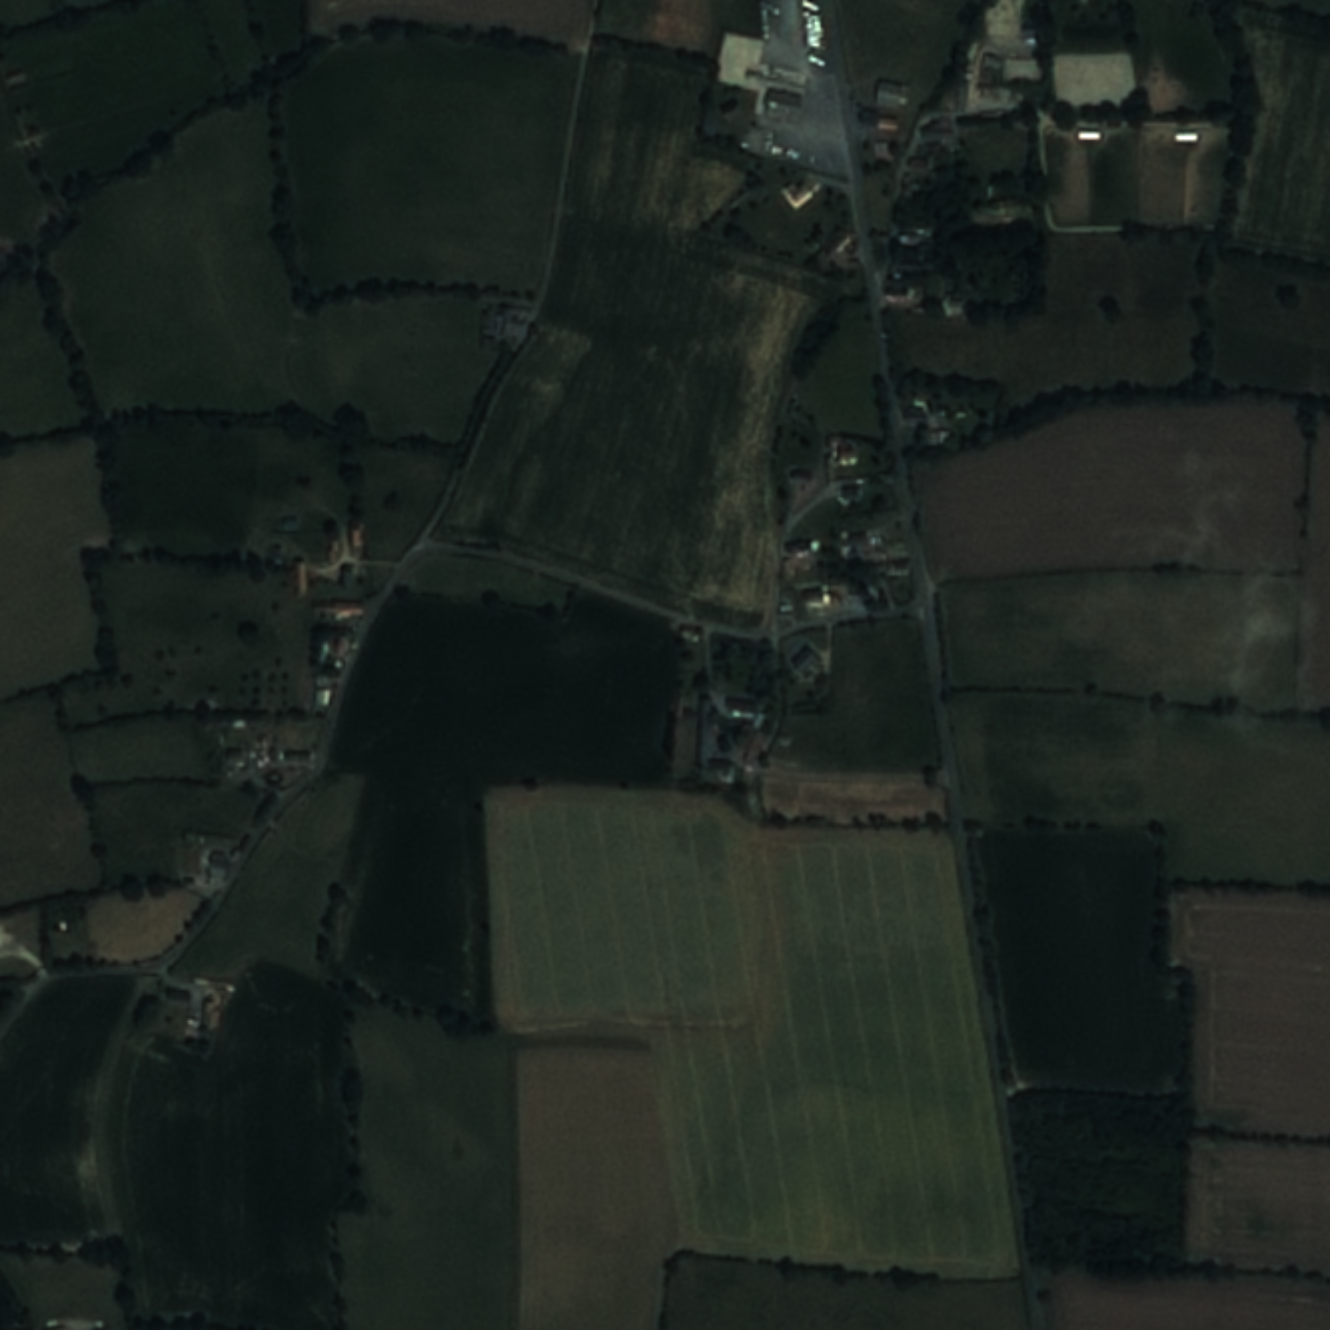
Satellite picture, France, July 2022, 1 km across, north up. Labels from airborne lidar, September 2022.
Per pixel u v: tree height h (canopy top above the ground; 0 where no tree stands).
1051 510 0
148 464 0
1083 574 0
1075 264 0
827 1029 0
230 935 0
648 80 0
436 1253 0
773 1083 0
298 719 9
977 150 0
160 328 0
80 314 0
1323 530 0
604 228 0
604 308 0
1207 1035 0
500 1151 0
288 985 0
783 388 0
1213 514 0
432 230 0
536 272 0
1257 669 0
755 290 0
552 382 0
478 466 0
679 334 0
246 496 0
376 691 0
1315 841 0
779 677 9
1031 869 0
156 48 0
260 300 0
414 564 0
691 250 0
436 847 0
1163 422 0
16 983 6
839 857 0
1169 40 0
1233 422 0
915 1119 0
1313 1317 0
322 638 11
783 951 0
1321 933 0
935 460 11
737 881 0
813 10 0
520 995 0
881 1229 0
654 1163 0
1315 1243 0
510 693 0
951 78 15
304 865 0
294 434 16
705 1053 0
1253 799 0
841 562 6
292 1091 0
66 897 6
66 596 0
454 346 0
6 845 0
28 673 0
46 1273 0
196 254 0
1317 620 0
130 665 0
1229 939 0
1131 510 0
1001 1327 0
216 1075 0
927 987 0
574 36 0
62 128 0
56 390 0
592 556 0
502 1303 0
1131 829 0
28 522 0
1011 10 0
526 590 0
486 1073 0
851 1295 0
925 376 8
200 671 0
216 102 8
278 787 12
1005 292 0
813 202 0
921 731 0
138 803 0
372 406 0
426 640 0
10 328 0
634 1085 0
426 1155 0
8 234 0
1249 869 0
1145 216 0
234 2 0
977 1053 0
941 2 0
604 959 0
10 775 0
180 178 0
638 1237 0
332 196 0
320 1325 0
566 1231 0
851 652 0
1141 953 0
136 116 0
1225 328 0
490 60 0
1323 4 0
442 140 0
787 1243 0
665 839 0
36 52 0
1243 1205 0
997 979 9
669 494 0
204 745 0
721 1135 0
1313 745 0
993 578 0
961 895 0
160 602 0
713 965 0
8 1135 0
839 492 0
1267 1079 0
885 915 0
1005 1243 0
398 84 0
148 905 0
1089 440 0
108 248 0
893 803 0
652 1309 0
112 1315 0
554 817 0
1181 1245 6
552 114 0
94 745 0
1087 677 0
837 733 0
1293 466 0
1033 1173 6
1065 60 0
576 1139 0
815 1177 0
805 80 0
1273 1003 0
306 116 0
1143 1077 0
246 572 20
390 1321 0
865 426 0
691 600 0
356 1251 0
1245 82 15
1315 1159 0
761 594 0
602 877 0
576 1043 0
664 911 0
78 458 0
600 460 0
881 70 0
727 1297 0
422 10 0
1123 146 0
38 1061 0
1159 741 0
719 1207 0
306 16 6
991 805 0
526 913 0
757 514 0
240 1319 0
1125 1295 0
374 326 0
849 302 7
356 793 0
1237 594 0
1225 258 11
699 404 0
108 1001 0
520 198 0
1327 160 0
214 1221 0
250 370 0
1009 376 0
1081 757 0
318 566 0
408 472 0
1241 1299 0
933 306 14
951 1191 0
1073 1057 0
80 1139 0
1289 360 0
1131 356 0
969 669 0
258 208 0
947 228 11
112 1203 0
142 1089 0
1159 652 0
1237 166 12
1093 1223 6
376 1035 0
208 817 0
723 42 0
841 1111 0
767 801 0
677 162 0
